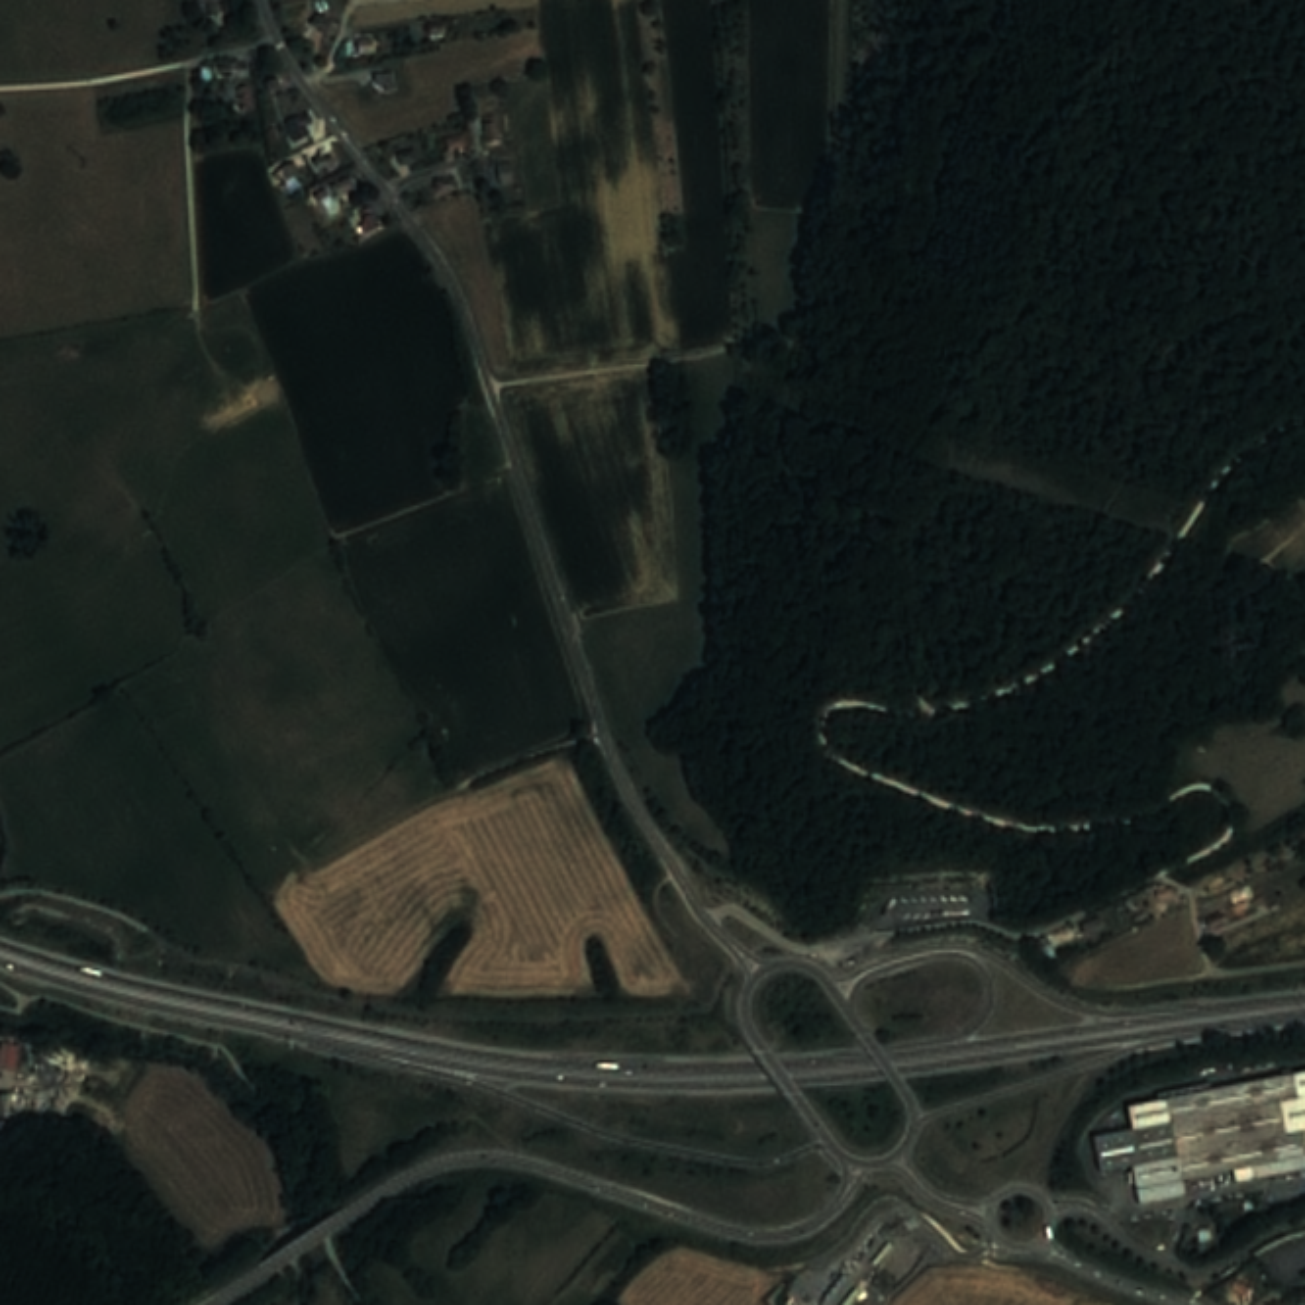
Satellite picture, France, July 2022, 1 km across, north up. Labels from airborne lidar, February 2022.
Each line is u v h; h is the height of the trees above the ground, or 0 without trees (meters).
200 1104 0
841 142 20
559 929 0
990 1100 0
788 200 0
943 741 18
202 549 0
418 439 0
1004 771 18
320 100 0
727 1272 0
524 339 0
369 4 0
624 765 0
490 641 0
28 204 0
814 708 18
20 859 0
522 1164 0
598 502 0
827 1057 0
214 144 19
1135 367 24
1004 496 17
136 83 0
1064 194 14
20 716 0
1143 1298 0
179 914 0
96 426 0
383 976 0
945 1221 0
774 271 0
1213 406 16
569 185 0
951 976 0
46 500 0
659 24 7
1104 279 24
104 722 0
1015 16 21
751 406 21
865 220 9
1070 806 18
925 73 19
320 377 0
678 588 0
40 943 0
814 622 28
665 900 0
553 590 0
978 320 9
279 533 0
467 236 0
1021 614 17
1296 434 24
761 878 9
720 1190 0
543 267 0
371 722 0
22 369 0
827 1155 0
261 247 0
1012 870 12
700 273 0
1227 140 19
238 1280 0
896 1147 0
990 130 14
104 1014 0
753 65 0
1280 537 0
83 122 0
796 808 15
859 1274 0
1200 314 11
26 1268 6
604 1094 0
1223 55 17
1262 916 0
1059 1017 0
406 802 0
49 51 0
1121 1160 0
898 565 16
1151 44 19
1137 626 20
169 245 0
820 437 26
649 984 0
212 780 0
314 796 0
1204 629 20
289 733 0
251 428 0
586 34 0
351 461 0
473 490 0
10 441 0
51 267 0
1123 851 20
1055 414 6
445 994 0
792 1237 0
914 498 22
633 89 0
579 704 0
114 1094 0
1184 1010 0
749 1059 0
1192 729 14
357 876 0
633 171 0
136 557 0
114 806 0
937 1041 0
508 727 0
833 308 19
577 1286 0
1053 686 19
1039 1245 0
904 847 11
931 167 27
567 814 0
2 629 0
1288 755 0
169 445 0
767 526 25
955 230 21
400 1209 13
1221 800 18
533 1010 0
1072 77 11
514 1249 0
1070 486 0
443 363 0
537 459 0
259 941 0
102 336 0
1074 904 16
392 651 0
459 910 0
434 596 0
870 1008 0
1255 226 18
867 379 6
